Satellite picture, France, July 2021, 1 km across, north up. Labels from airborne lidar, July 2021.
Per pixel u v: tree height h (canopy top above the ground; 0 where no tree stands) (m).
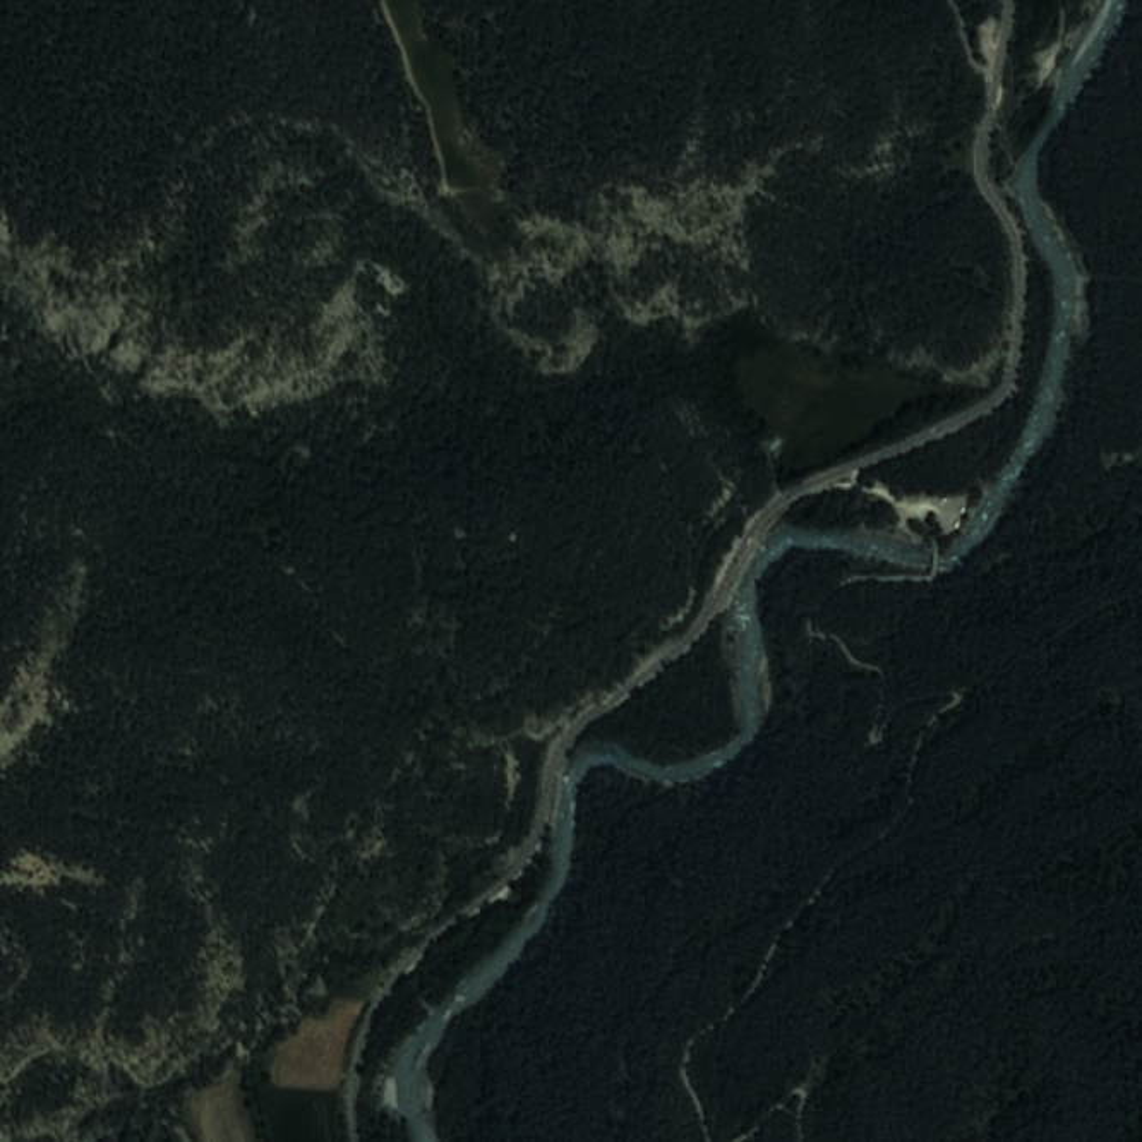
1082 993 12
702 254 7
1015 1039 10
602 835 21
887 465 14
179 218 6
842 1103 11
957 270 7
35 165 14
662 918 9
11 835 10
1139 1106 10
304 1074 0
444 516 12
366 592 12
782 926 10
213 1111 0
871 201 14
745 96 11
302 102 9
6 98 12
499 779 6
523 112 7
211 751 7
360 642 12
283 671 11
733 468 6
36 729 8
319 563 10
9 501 11
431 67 0
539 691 8
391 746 9
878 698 10
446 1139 10
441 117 0
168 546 9
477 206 0
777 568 10
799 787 14
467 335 13
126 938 7
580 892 9
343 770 8
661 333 8
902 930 12
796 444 0
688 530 7
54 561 13
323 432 12
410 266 9
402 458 15
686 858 12
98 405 9
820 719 16
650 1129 9
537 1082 12
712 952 11
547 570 13
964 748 11
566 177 6
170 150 12
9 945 7
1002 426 12
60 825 12
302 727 8
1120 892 11
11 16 11
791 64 8
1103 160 12
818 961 9
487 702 9
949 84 7
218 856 8
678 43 9
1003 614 11
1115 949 11
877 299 7
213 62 14
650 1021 9
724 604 0
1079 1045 10
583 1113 11
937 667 12
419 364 11
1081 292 0
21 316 9
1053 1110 10
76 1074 7
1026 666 12
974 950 8
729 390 10
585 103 13
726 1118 10
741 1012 11
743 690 0
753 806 11
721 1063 15
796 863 10
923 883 11
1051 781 11
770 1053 10
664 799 12
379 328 8
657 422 8
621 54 14
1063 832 11
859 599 12
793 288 11
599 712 0
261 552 8
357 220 8
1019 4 11
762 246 7
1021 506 14
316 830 8
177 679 8
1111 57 10
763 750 6
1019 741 12
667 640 7
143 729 7
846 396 0
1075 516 13
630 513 11
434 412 15
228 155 10
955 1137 7
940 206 11
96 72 14
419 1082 0
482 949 12
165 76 14
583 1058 10
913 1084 12
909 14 16
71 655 10
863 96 12
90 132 11
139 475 11
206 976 6
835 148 8
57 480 9
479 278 7
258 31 9
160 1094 15
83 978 10
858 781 11
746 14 11
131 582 10
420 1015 15
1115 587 14
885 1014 8
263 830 11
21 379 10
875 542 0
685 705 11
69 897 10
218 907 7
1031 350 12
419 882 9
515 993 17
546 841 11
